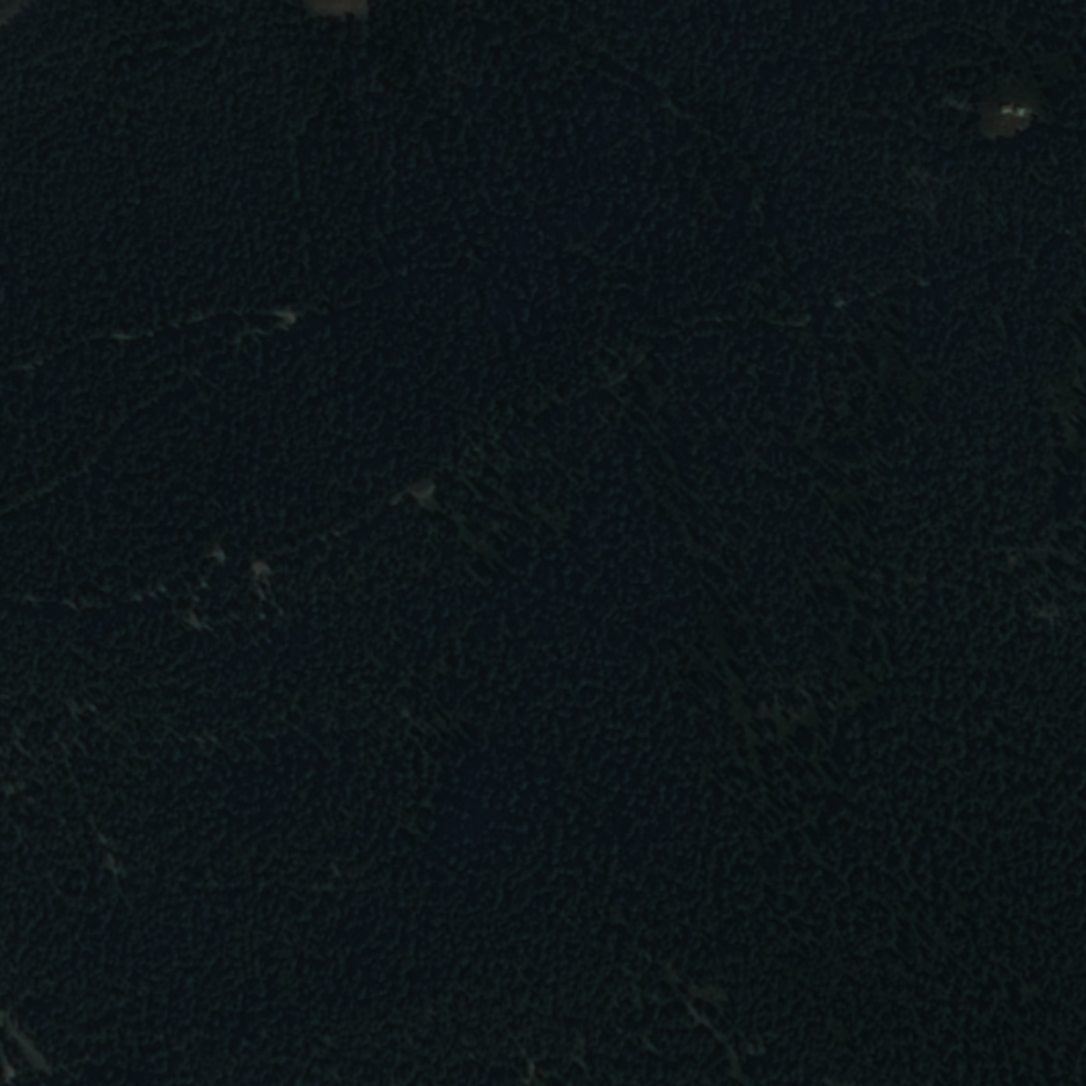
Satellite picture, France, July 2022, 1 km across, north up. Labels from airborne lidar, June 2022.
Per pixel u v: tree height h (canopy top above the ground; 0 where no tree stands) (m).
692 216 36
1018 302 22
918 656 25
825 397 11
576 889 23
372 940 36
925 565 19
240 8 20
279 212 17
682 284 13
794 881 20
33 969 23
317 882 26
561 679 23
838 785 31
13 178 21
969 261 25
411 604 31
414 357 28
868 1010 20
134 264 28
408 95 19
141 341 11
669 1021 21
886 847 20
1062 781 24
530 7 15
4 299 23
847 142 14
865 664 29
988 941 21
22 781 11
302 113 31
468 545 0
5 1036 9
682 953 23
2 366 16
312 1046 19
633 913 22
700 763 23
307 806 29
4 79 23
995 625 24
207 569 11
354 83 38
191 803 26
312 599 26
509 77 36
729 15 29
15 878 27
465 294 29
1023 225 15
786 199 22
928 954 22
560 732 24
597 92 29
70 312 23
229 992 22
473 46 33
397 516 17
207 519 17
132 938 25
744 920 22
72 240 25
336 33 18
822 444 7
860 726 24
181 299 23
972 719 20
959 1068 23
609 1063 24
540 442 34
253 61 11
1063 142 22
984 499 16
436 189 32
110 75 16
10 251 7
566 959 19
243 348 8
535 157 27
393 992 23
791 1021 19
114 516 20
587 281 29
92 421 19
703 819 27
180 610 13
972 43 18
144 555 23
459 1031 23
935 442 18
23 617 25
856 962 25
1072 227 29
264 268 28
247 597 28
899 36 19
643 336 14
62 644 28
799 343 11
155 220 31
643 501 9
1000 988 27
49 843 22
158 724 24
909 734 20
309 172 25
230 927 21
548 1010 23
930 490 25
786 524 29
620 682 28
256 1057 24
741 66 26
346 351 28
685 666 9
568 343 22
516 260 27
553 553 26
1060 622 12
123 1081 26
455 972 21
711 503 28
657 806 25
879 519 22
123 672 8
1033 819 15
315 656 29
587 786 9
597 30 8
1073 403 0
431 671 35
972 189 16
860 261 24
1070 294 21
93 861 10
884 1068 20
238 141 21
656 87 8
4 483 23
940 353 29
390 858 28
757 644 28
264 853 25
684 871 24
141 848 24
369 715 29
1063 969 17
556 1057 16
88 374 16
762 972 17
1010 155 21
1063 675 26
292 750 28
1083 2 28
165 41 14
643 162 33
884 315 20
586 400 8
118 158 20
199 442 25
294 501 16
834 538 16
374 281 26
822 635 6
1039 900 18
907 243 21
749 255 25
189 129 20
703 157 11
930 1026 24
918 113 6
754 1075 21
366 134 31
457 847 9
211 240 23
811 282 26
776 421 6
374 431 28
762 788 26
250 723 26
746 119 22
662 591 16
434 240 30
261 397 25
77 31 15
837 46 29
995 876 9
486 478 7
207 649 27
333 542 11
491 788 29
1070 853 24
